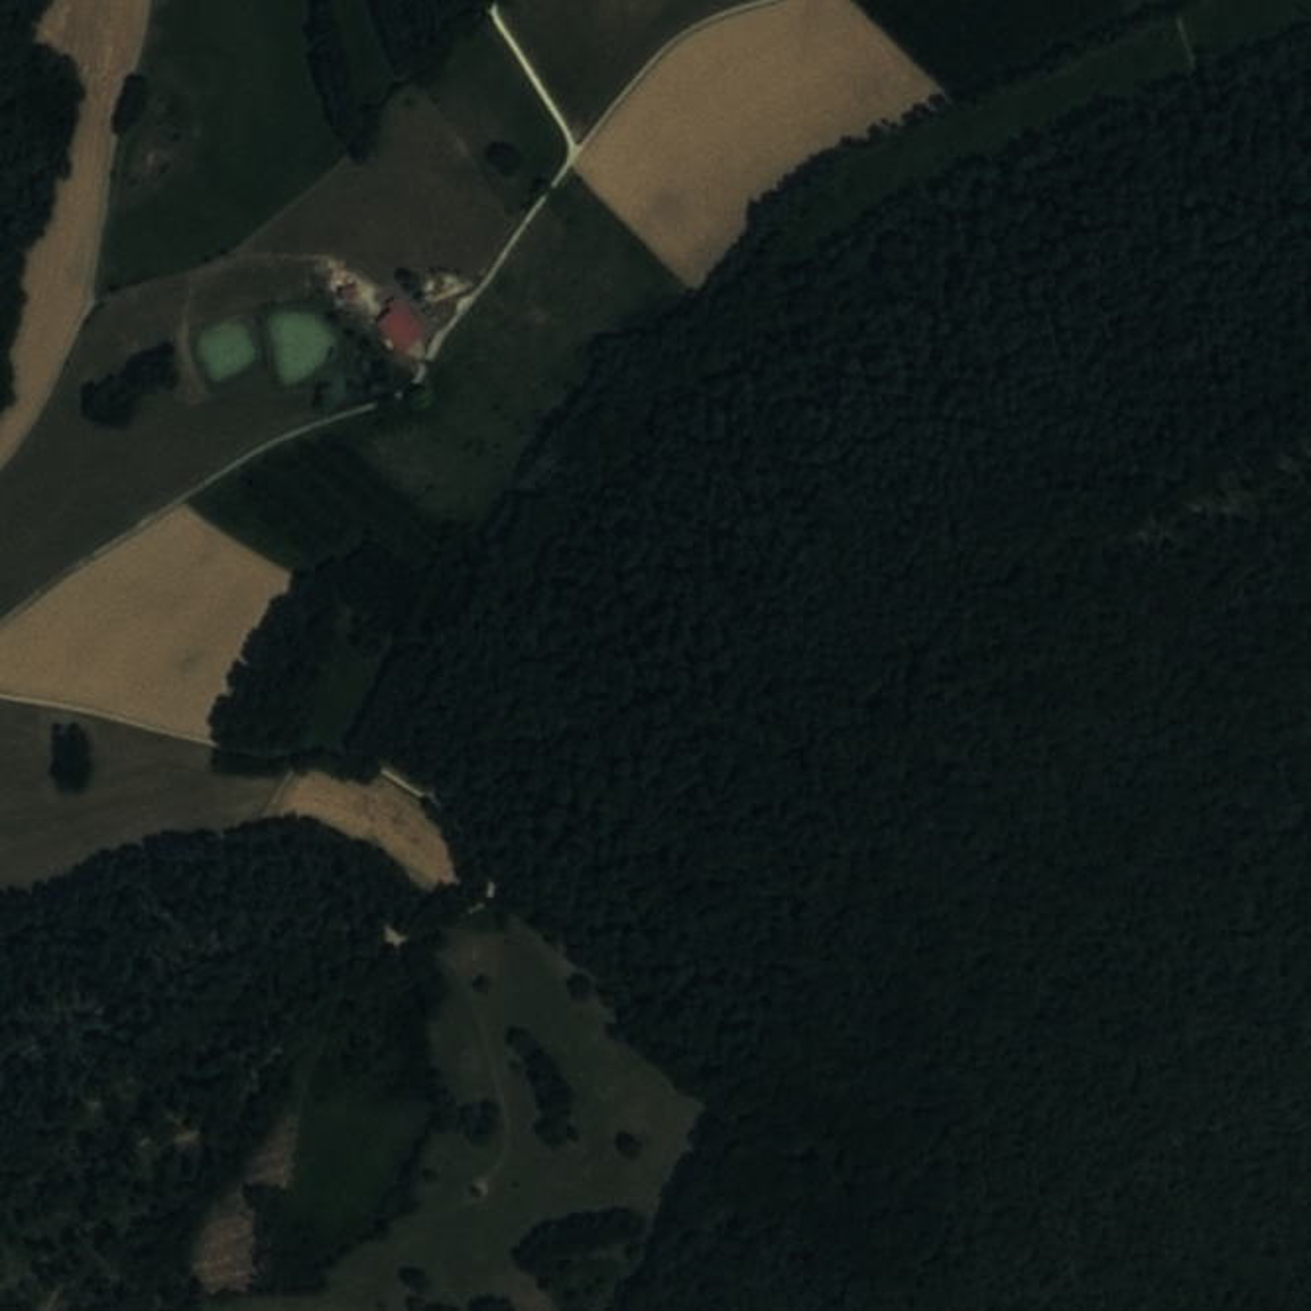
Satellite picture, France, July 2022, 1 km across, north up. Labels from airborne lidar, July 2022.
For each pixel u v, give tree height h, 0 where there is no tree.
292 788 0
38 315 0
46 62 19
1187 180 20
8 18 23
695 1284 22
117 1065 20
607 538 23
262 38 0
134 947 29
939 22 6
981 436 23
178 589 0
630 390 25
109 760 0
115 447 0
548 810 33
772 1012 29
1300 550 20
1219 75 20
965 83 6
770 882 23
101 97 0
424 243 0
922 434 20
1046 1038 15
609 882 25
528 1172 0
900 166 0
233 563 0
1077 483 12
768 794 27
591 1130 0
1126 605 18
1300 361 26
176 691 0
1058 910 16
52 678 0
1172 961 16
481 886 10
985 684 18
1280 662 21
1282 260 26
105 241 0
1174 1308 20
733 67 0
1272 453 25
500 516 16
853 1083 24
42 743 0
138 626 0
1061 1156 14
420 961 17
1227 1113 18
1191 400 17
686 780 26
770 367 32
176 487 0
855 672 23
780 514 27
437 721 19
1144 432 24
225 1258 16
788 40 0
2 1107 6
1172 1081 15
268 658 23
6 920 30
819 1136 23
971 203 19
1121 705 20
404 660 19
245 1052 28
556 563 22
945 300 8
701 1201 28
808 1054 27
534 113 0
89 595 0
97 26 0
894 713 24
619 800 25
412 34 9
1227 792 20
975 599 19
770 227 22
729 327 19
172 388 18
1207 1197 11
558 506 24
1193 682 17
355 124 18
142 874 29
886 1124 23
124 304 0
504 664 16
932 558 18
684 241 0
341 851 26
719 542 28
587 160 0
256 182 0
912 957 20
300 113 0
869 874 21
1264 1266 19
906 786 17
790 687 26
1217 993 13
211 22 0
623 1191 0
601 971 26
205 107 0
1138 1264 15
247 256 0
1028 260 31
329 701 0
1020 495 24
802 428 23
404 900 23
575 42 0
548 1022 0
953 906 21
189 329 0
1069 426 25
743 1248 23
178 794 0
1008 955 9
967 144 0
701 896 24
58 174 19
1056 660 21
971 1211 19
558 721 21
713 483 24
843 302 23
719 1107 25
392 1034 7
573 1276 7
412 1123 0
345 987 26
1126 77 0
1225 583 20
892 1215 29
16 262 20
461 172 0
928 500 22
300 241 0
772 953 22
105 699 0
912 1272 21
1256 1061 16
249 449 0
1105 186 16
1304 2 0
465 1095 0
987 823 17
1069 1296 13
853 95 0
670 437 26
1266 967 14
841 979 20
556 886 20
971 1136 15
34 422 0
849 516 17
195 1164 17
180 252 0
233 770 7
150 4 0
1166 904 17
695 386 10
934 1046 16
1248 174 31
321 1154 0
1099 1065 17
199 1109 30
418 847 0
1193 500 23
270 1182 17
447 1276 0
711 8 0
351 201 0
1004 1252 13
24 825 0
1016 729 11
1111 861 21
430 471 0
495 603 20
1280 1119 16
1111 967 21
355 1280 0
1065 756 15
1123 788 18
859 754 23
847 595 17
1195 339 21
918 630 19
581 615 14
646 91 0
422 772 25
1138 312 9
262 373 0
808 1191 29
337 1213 0
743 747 26
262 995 23
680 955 28
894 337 26
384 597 13
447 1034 0
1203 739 19
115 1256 30
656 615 16
